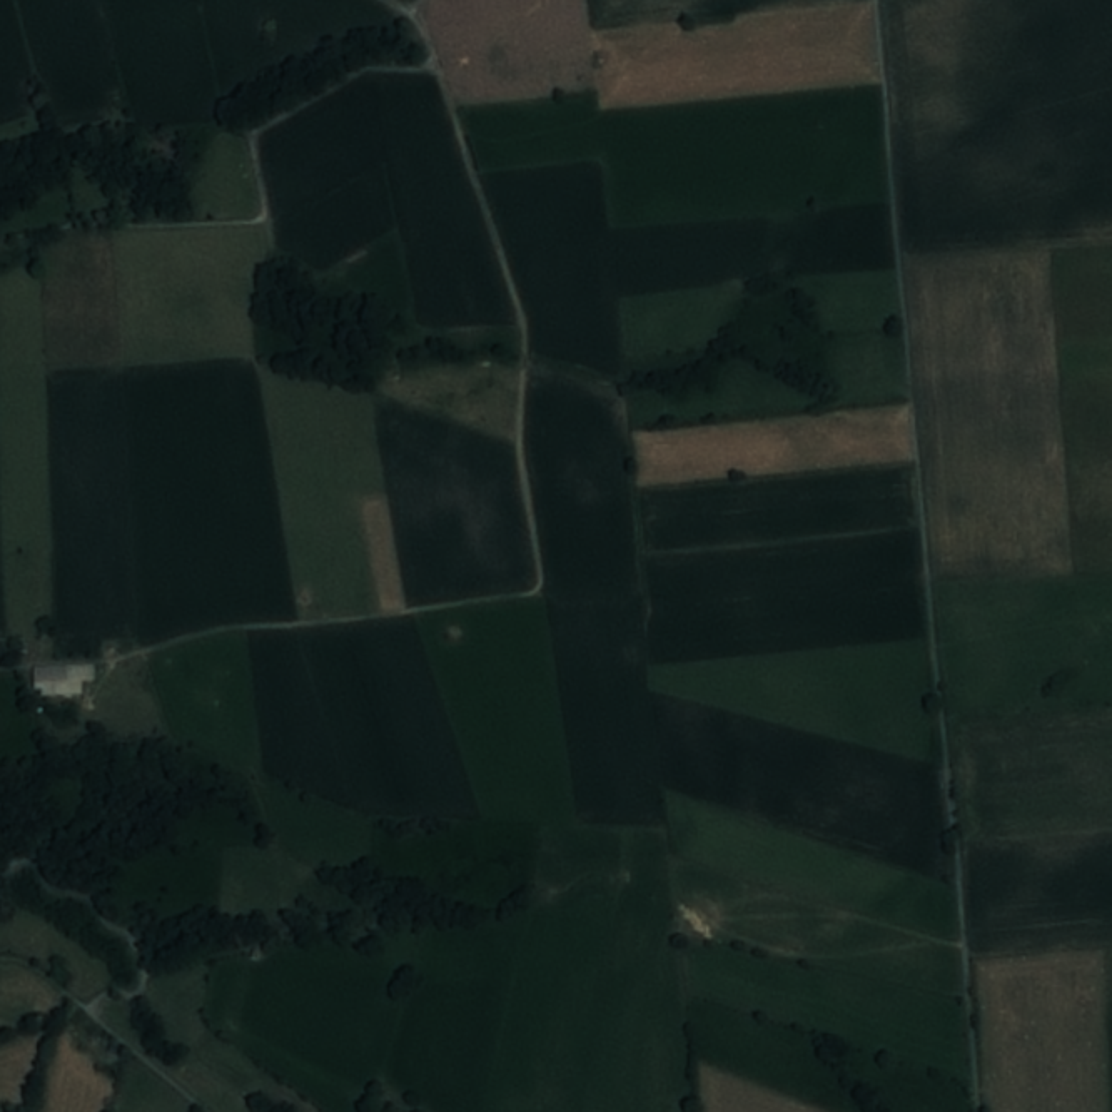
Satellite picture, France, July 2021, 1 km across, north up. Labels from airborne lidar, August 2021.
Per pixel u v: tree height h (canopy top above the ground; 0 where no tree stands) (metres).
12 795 14
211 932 24
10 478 0
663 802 6
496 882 0
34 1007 0
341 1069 0
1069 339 0
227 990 0
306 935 23
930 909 0
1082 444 0
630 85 0
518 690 0
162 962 18
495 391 0
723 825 0
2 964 0
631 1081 0
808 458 0
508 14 0
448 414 0
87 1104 0
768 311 0
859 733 0
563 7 0
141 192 20
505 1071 0
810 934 0
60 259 0
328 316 11
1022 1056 0
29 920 0
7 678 0
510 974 0
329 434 0
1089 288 0
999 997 0
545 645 0
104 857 18
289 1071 0
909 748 0
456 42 0
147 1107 0
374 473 0
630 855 0
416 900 22
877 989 0
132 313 0
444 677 0
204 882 0
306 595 0
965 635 0
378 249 0
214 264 0
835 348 0
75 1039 0
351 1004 0
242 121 27
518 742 0
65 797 0
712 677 0
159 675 0
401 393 0
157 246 0
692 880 0
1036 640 0
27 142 18
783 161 0
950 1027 0
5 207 27
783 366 6
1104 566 0
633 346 0
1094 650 0
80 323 0
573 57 0
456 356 13
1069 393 0
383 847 0
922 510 0
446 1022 0
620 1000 0
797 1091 0
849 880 0
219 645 0
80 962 0
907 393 0
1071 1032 0
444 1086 0
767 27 0
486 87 0
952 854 15
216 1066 0
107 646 0
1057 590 0
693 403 0
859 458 0
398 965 0
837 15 0
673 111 0
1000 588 0
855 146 0
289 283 22
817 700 0
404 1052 0
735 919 0
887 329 9
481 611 0
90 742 13
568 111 0
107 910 18
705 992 0
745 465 0
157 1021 11
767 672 0
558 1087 0
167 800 17
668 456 0
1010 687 0
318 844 0
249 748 0
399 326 9
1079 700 0
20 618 0
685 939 8
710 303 0
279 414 0
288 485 0
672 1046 0
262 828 14
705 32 0
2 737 0
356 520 0
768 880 0
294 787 9
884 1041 0
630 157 0
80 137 14
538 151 0
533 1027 0
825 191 0
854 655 0
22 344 0
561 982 0
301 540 0
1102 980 0
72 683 0
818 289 0
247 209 0
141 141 22
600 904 0
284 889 0
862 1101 14
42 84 9
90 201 0
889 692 0
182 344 0
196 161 12
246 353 0
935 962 0
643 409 0
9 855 14
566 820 0
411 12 0
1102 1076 0
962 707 0
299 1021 0
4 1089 0
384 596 0
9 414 0
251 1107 16
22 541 0
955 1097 0
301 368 23
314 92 29
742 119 0
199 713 0
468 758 0
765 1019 15
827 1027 0
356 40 19
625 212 0
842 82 0
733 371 0
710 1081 0
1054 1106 0
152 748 17
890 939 0
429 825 14
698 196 0
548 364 0
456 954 0
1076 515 0
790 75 0
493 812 0
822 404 6
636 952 0
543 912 0
